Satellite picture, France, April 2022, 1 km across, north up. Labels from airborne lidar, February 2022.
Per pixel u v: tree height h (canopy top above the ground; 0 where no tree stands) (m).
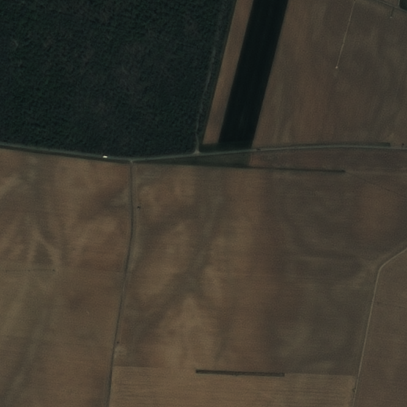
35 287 0
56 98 13
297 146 0
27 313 0
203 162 0
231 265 0
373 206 0
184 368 0
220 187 0
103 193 0
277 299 0
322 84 0
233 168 0
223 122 0
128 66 14
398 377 0
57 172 0
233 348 0
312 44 0
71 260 0
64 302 0
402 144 0
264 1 0
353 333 0
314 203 0
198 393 0
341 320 0
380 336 0
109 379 0
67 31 12
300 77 0
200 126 10
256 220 0
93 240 0
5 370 0
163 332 0
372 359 0
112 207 0
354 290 0
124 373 0
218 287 0
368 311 0
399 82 0
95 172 0
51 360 0
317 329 0
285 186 0
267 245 0
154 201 0
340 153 0
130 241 0
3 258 0
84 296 0
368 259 0
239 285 0
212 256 0
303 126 0
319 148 0
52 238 0
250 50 0
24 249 0
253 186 0
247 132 0
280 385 0
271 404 0
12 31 13
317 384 0
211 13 12
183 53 9
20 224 0
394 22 0
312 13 0
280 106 0
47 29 13
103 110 14
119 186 0
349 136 0
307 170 0
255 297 0
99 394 0
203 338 0
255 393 0
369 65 0
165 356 0
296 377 0
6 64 11
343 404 0
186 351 0
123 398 0
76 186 0
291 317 0
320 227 0
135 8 14
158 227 0
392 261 0
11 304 0
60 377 0
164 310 0
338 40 0
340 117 0
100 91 9
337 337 0
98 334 0
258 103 0
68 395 0
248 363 0
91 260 0
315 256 0
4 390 0
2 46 10
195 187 0
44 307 0
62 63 12
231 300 0
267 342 0
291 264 0
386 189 0
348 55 0
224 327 0
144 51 13
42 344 0
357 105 0
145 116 14
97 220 0
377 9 0
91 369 0
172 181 0
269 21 0
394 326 0
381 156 0
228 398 0
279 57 0
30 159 0
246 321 0
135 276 0
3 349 0
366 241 0
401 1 0
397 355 0
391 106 0
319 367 0
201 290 0
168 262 0
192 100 13
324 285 0
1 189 0
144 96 15
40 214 0
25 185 0
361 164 0
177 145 10
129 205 0
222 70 0
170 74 12
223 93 0
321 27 0
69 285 0
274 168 0
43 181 0
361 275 0
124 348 0
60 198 0
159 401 0
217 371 0
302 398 0
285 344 0
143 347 0
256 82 0
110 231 0
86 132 13
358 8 0
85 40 11
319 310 0
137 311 0
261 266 0
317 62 0
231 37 0
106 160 0
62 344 0
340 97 0
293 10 0
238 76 0
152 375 0
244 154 0
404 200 0
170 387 0
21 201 0
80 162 0
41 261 0
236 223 0
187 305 0
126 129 13
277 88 0
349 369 0
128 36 12
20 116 11
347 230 0
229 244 0
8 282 0
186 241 0
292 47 0
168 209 0
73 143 8
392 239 0
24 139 9
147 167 0
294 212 0
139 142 13
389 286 0
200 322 0
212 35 14
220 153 0
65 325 0
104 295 0
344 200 0
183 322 0
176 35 10
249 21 0
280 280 0
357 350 0
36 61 15
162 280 0
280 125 0
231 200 0
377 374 0
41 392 0
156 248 0
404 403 0
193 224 0
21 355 0
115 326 0
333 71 0
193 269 0
